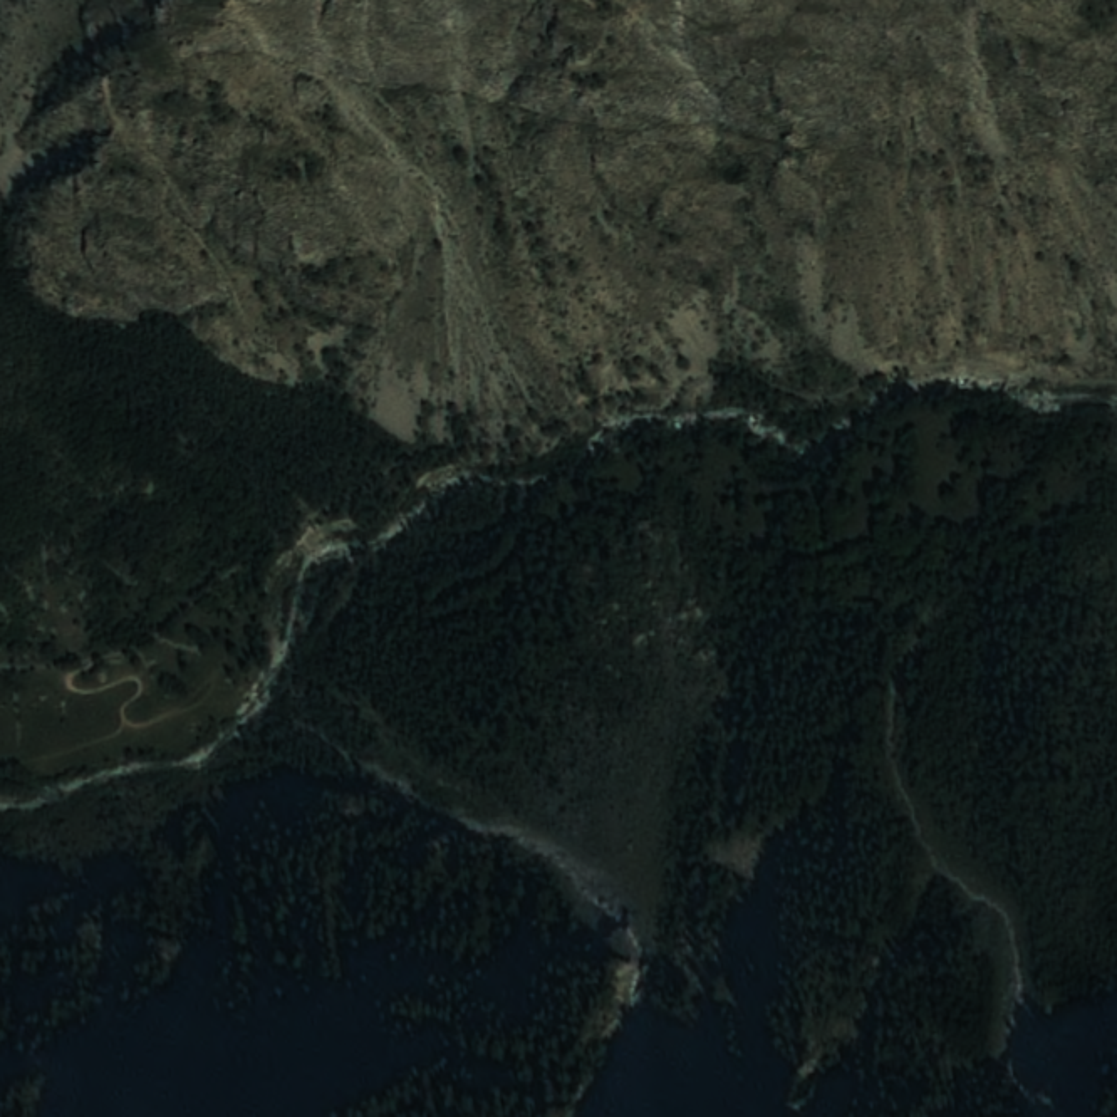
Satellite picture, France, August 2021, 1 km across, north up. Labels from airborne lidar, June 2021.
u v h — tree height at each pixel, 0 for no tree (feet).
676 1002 22
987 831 21
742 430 21
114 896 34
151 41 0
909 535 43
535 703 45
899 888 25
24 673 26
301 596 0
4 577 27
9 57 0
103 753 0
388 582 47
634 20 0
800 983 37
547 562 29
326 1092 0
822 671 29
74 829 0
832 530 49
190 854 39
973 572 38
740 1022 27
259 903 28
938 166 28
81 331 47
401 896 48
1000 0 0
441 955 28
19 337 22
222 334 0
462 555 62
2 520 25
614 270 0
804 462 30
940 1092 66
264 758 26
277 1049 34
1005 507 39
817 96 0
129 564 28
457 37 0
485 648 30
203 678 0
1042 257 31
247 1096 66
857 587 23
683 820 27
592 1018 21
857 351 0
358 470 53
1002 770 34
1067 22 0
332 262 29
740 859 0
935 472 0
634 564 18
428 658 24
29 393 22
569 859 0
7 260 39
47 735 0
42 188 46
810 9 0
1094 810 22
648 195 0
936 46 0
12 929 125
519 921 22
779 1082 24
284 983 32
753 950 43
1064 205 0
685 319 0
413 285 0
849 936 63
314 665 27
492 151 23
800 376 23
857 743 25
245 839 30
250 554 51
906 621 28
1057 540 37
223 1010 99
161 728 0
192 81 0
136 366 60
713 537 22
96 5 0
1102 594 23
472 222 0
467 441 54
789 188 0
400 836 102
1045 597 62
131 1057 19
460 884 94
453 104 0
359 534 20
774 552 51
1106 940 18
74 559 26
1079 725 26
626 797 0
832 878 59
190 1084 66
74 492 39
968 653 20
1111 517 27
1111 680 18
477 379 0
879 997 25
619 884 0
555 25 39
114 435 44
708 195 0
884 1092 82
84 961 57
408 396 0
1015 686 68
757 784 80
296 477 24
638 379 34
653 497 27
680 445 30
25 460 23
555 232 0
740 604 29
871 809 79
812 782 82
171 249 0
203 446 41
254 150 0
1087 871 18
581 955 71
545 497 66
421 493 25
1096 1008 28
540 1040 77
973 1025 28
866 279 0
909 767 22
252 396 33
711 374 27
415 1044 78
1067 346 0
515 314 0
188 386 42
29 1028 30
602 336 0
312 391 37
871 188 0
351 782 81
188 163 29
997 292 0
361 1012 23
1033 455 32
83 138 26
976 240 0
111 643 34
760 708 34
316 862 80
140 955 22
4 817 23
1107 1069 20
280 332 0
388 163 0
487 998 38
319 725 38
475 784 19
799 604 33
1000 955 0
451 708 22
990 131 0
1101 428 33
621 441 26
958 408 45
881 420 25
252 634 36
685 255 0
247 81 0
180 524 21
